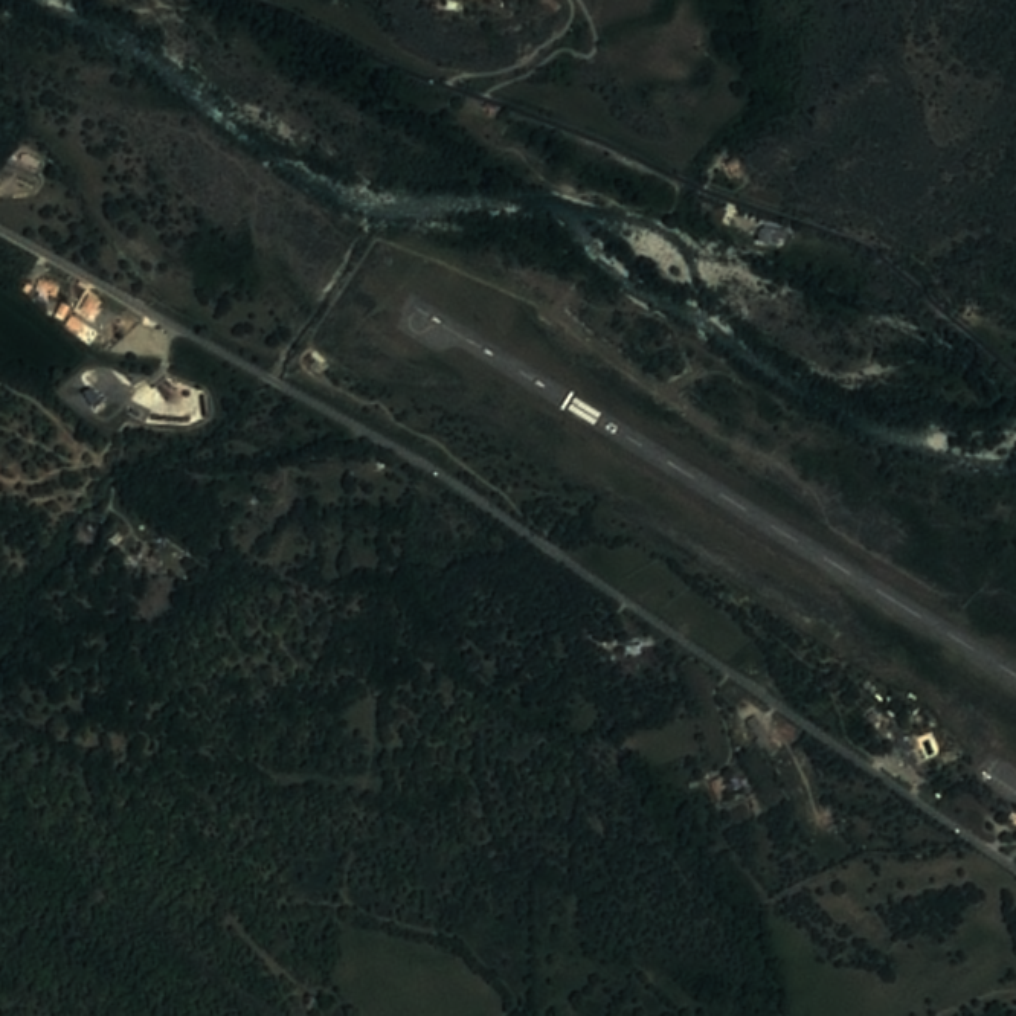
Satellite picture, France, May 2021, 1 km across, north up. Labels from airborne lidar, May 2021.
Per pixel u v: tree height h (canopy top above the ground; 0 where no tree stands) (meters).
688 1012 9
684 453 0
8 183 0
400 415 7
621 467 0
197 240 10
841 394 20
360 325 0
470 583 14
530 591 11
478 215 8
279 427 7
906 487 7
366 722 0
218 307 7
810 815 0
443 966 0
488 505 0
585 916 9
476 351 0
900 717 8
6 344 0
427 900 8
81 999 9
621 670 8
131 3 6
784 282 6
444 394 0
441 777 10
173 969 7
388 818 11
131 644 9
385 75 13
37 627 6
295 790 11
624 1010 7
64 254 8
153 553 6
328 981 9
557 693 13
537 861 8
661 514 0
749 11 9
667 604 0
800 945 0
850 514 0
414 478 9
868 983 0
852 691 10
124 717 11
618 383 0
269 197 0
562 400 0
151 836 11
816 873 6
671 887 8
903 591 0
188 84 0
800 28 6
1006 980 7
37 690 12
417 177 10
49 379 10
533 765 8
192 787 7
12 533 9
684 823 9
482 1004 0
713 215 7
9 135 7
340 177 9
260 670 9
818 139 0
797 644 8
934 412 19
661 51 0
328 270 0
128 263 6
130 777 13
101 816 13
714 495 0
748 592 0
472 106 0
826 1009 0
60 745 10
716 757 0
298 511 10
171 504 10
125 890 7
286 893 10
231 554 8
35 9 24
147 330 0
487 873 7
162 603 0
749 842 9
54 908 7
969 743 0
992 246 11
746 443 0
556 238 12
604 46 9
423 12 6
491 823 10
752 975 6
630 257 18
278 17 23
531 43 0
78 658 12
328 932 8
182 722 11
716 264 0
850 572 0
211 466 9
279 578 9
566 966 0
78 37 15
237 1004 11
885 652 0
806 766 0
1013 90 5
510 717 9
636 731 5
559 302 0
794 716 0
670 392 0
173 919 11
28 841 7
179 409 0
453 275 0
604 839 9
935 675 0
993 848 0
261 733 10
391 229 6
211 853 11
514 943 0
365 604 9
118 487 10
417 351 0
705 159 6
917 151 0
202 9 7
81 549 11
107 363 0
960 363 25
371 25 0
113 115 0
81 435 11
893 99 0
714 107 0
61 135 8
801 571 0
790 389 10
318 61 11
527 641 12
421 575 10
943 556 0
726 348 12
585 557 0
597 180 9
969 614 0
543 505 8
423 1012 0
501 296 0
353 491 8
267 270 0
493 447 6
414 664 10
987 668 0
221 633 6
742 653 0
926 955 0
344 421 0
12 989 9
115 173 7
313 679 7
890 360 8
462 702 10
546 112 6
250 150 8
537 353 0
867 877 0
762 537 0
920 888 0
